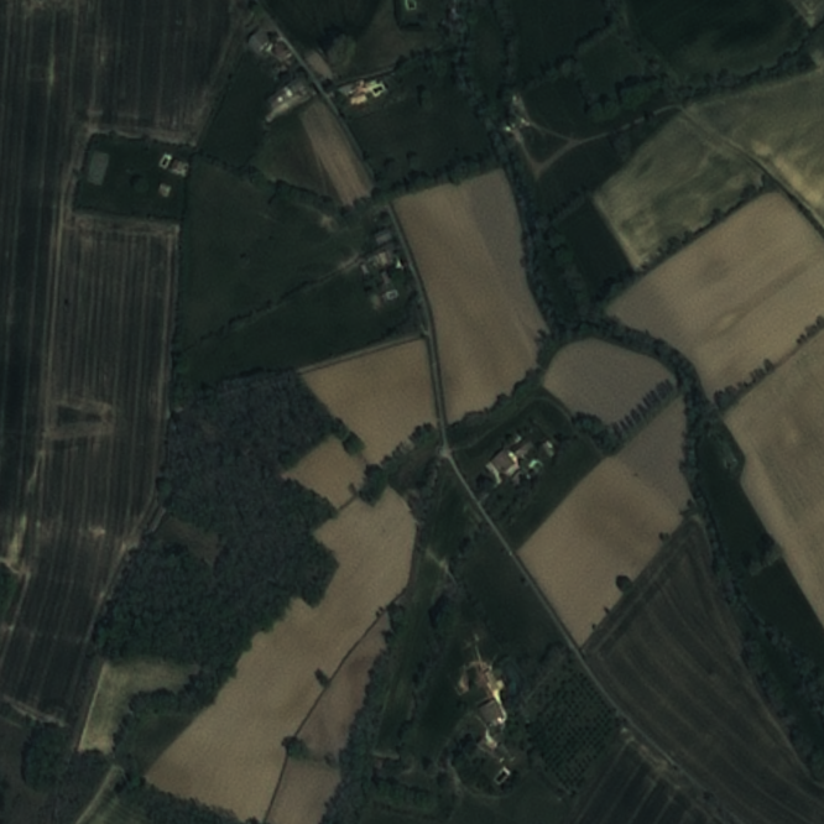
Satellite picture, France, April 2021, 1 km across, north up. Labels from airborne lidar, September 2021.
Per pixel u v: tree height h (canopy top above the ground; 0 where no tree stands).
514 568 0
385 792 20
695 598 0
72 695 0
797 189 0
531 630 0
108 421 0
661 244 0
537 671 13
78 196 7
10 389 0
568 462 0
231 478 22
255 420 21
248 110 0
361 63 0
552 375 0
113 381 0
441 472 8
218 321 0
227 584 21
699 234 6
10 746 0
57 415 0
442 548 0
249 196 0
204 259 0
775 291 0
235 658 19
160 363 0
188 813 15
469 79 13
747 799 0
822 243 0
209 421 15
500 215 0
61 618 0
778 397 0
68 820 11
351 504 0
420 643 0
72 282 0
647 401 0
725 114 0
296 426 21
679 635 0
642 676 0
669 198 0
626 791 0
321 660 0
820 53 0
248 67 0
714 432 8
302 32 0
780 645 11
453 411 0
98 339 0
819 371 0
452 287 0
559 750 6
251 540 15
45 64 0
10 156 0
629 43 7
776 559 33
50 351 0
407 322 9
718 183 0
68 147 0
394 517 0
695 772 0
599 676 0
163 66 0
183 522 19
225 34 0
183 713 19
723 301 0
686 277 0
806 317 0
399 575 0
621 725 10
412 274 8
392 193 12
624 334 18
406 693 0
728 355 0
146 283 0
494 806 0
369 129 0
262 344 0
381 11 0
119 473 0
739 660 0
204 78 0
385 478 19
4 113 0
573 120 0
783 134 0
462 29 23
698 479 10
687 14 0
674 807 0
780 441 0
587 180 0
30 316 0
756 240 0
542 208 0
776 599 0
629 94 20
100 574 0
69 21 0
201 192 0
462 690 0
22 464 0
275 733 0
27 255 0
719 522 0
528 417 0
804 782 0
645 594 0
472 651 0
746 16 0
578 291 19
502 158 18
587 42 13
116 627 21
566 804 7
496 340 0
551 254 14
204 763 0
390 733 0
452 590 16
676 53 0
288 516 20
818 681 14
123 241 0
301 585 20
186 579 17
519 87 10
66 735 13
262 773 0
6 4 0
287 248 0
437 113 0
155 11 0
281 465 11
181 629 23
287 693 0
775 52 0
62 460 0
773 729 0
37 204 0
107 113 0
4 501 0
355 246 0
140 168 0
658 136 0
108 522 0
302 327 0
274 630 14
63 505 0
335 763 17
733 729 0
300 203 11
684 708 0
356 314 0
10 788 0
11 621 0
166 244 0
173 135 0
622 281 12
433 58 22
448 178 15
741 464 0
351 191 0
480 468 0
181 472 16
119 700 0
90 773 14
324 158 0
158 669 0
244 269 0
